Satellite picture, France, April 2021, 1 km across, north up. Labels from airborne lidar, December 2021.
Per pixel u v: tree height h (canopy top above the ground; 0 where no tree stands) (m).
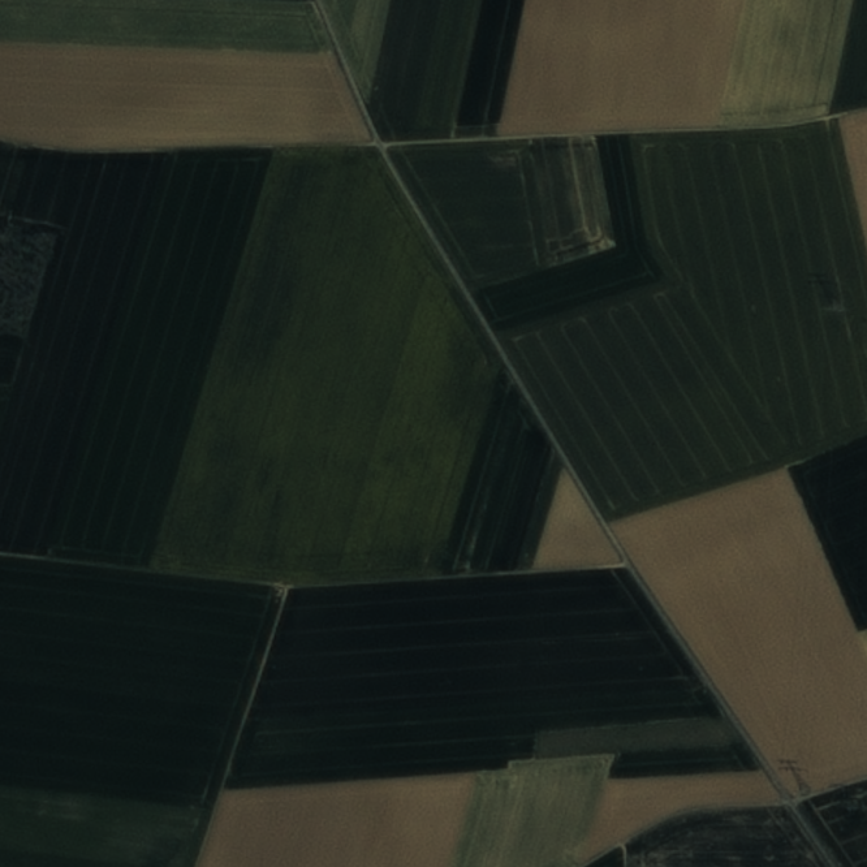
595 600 0
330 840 0
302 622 0
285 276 0
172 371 0
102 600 0
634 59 0
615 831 0
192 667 0
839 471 0
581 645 0
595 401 0
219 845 0
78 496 0
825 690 0
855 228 0
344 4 0
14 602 0
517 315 0
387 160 0
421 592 0
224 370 0
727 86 0
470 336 0
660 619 0
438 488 0
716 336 0
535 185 0
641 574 0
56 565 0
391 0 0
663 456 0
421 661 0
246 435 0
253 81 0
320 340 0
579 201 0
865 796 0
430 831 0
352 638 0
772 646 0
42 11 0
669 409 0
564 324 0
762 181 0
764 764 0
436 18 0
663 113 0
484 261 0
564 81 0
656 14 0
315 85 0
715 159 0
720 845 0
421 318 0
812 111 0
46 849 0
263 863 0
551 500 0
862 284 0
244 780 0
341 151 0
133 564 0
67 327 0
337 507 0
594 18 0
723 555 0
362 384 0
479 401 0
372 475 0
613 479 0
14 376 0
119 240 0
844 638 0
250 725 0
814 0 0
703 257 0
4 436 0
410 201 0
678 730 0
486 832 0
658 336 0
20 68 0
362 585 0
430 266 0
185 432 0
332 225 0
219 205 0
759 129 0
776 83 0
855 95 0
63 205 0
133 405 0
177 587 0
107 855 0
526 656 0
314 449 0
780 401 0
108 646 0
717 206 0
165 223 0
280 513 0
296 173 0
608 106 0
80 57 0
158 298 0
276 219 0
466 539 0
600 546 0
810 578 0
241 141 0
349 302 0
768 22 0
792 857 0
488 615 0
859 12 0
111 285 0
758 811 0
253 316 0
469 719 0
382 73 0
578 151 0
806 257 0
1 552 0
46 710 0
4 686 0
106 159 0
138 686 0
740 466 0
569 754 0
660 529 0
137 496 0
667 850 0
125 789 0
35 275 22
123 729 0
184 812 0
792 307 0
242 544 0
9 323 10
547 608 0
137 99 0
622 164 0
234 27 0
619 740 0
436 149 0
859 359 0
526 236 0
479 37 0
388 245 0
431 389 0
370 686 0
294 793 0
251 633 0
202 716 0
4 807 0
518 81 0
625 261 0
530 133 0
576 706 0
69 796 0
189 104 0
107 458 0
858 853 0
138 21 0
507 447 0
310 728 0
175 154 0
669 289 0
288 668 0
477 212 0
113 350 0
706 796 0
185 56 0
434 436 0
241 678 0
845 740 0
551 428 0
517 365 0
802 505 0
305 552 0
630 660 0
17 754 0
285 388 0
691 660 0
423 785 0
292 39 0
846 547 0
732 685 0
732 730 0
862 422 0
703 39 0
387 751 0
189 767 0
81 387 0
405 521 0
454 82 0
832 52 0
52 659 0
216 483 0
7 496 0
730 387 0
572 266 0
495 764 0
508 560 0
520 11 0
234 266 0
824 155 0
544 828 0
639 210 0
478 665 0
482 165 0
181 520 0
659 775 0
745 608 0
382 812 0
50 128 0
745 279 0
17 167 0
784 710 0
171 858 0
